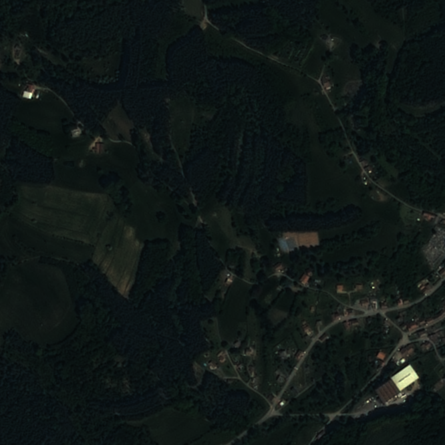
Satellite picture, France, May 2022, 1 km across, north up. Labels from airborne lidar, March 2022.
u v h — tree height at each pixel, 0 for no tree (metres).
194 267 18
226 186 30
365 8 0
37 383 13
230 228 0
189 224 0
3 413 14
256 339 0
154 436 0
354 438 8
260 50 20
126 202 38
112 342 34
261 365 0
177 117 0
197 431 0
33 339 0
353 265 17
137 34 34
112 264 0
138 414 16
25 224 0
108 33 22
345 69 0
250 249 0
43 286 0
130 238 0
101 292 31
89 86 33
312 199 0
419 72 17
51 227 0
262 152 29
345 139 14
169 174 33
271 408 0
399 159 15
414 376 0
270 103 14
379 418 21
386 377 16
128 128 0
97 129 30
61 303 0
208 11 0
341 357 0
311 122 0
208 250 15
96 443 11
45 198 0
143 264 19
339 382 27
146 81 14
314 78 0
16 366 7
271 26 22
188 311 28
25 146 34
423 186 19
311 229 27
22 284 0
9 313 0
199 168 27
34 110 0
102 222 0
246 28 32
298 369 0
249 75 28
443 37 18
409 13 14
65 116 0
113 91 33
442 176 15
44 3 22
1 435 26
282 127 14
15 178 24
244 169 23
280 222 32
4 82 16
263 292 0
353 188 0
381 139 26
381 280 0
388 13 9
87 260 0
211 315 29
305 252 25
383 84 27
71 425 25
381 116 25
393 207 0
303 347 0
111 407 25
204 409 25
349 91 0
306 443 0
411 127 17
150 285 7
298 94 0
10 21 8
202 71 35
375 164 20
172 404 15
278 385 0
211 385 21
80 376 10
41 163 33
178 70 27
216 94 22
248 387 0
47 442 27
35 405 26
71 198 0
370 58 24
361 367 8
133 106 34
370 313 0
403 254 13
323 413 0
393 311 0
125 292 0
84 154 0
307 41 12
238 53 0
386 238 0
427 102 21
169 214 0
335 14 0
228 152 22
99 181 0
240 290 0
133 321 28
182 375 20
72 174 0
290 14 31
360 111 33
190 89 18
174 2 23
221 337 0
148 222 0
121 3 24
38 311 0
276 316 0
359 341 0
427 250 0
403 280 8
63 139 0
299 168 28
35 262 0
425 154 14
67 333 0
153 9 32
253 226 25
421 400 24
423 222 0
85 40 24
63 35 26
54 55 22
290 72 0
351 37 0
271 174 31
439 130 10
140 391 9
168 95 25
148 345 17
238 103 7
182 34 0
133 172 0
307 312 0
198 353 29
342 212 18
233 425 14
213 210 0
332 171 0
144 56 16
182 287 31
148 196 0
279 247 0
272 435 0
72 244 0
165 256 18
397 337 0
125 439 17
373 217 0
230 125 25
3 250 0
